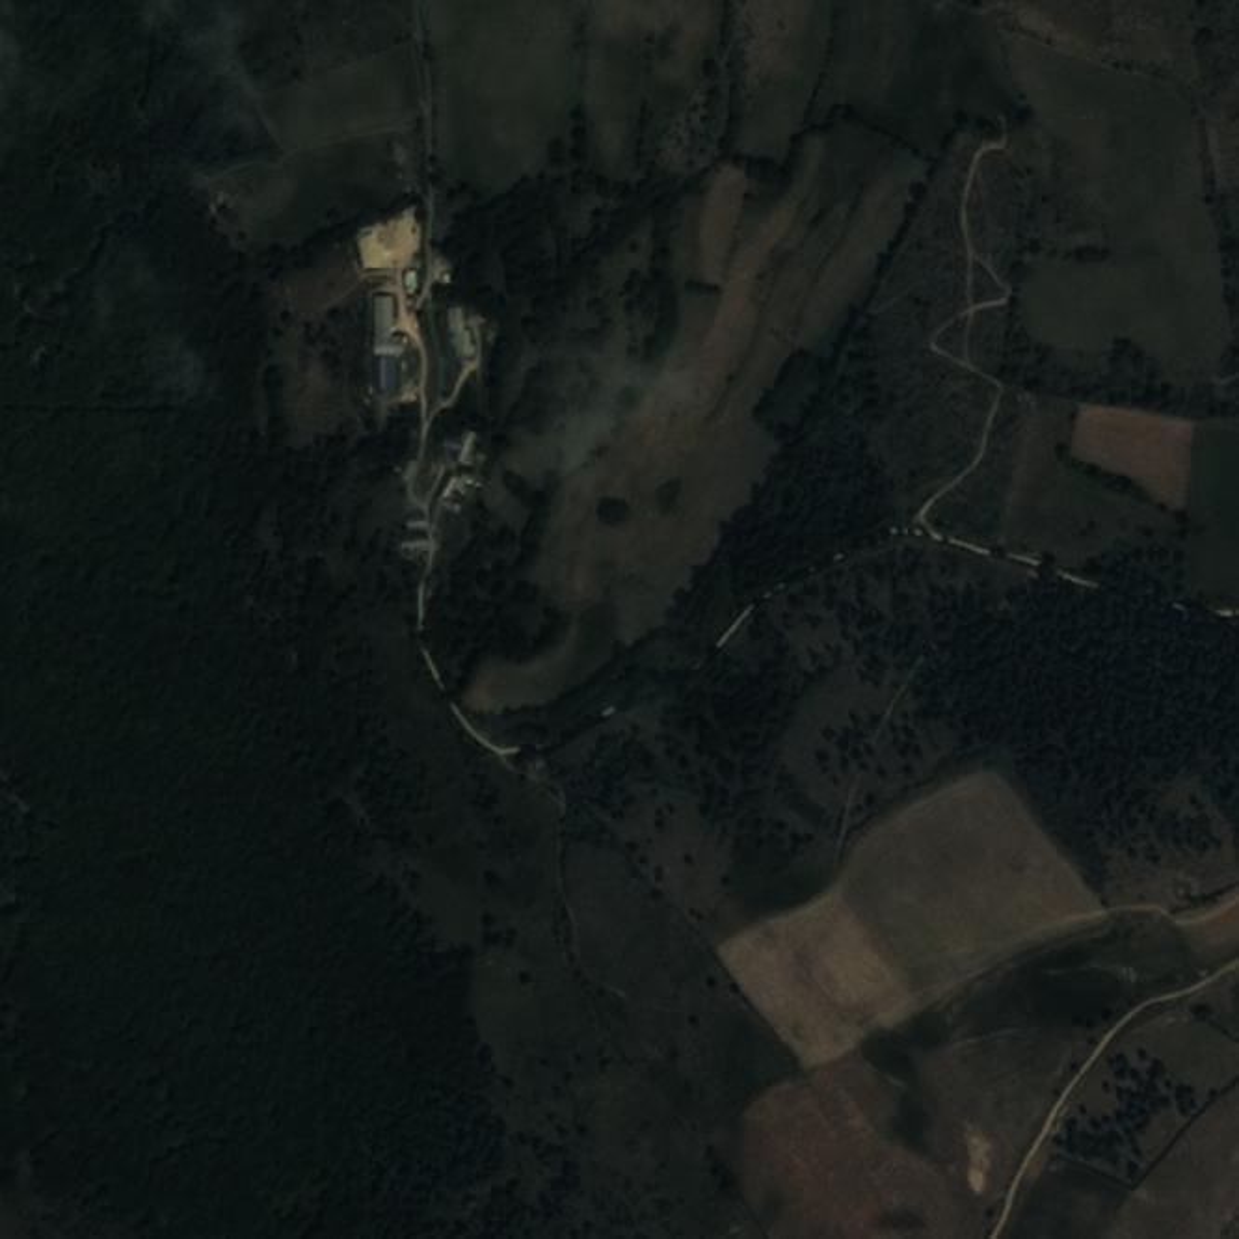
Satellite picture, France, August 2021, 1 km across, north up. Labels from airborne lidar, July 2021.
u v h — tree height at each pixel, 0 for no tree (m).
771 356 0
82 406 12
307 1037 16
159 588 12
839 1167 0
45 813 14
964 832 0
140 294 15
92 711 15
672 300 9
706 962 0
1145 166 0
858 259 0
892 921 0
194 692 13
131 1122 14
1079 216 0
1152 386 7
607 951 0
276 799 19
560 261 9
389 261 0
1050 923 0
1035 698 13
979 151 0
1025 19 0
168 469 14
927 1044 0
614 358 0
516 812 0
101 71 12
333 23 0
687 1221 0
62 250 16
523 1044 0
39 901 15
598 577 0
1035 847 0
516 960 0
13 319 17
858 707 0
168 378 18
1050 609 19
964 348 0
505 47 0
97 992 15
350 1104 14
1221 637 20
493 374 9
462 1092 10
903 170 0
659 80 0
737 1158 0
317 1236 16
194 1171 11
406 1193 10
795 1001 0
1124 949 0
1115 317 0
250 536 11
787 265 0
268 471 13
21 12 12
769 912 0
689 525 0
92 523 14
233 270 7
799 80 0
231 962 16
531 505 10
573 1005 0
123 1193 10
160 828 16
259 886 16
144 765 18
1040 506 0
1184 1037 0
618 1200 0
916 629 10
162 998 17
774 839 0
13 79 16
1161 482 0
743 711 10
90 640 10
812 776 0
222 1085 15
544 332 18
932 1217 0
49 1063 13
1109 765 13
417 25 0
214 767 18
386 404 0
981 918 0
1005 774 0
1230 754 12
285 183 0
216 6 19
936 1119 0
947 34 0
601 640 0
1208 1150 0
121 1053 13
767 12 0
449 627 8
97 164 8
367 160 0
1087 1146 12
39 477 16
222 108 26
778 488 10
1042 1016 0
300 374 0
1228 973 0
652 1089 0
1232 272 7
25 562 13
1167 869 0
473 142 0
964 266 0
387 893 13
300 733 18
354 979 17
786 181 14
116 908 17
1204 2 7
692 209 0
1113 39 0
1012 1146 0
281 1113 16
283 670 13
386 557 11
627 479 0
